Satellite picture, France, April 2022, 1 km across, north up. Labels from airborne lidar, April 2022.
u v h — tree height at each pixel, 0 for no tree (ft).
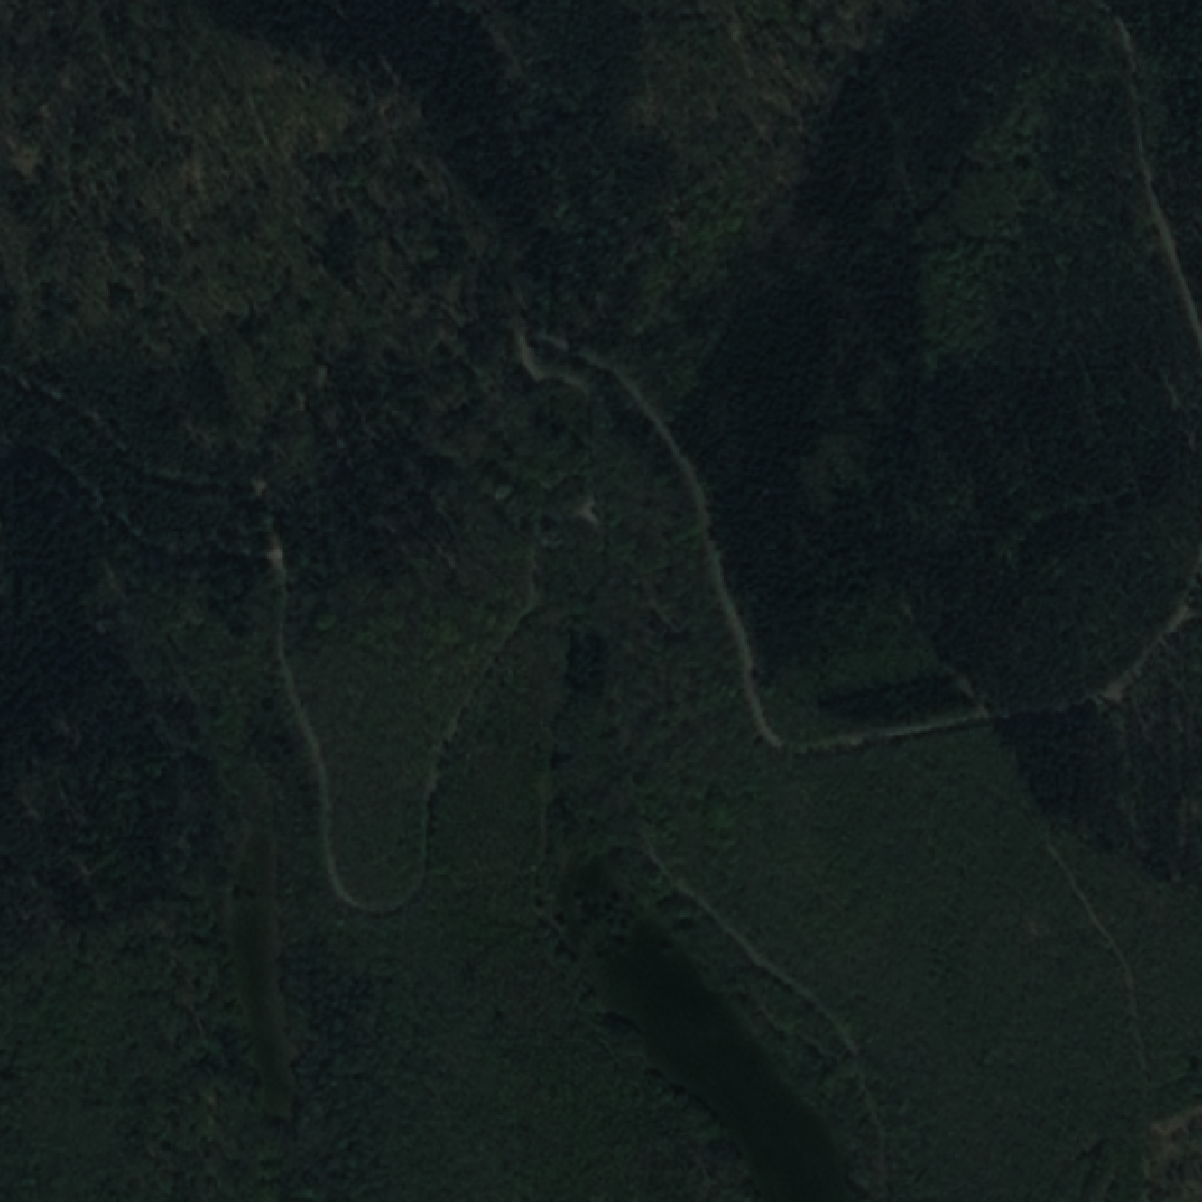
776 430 62
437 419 98
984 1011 40
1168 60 80
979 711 28
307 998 59
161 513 72
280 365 74
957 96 58
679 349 80
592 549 66
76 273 47
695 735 61
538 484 67
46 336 63
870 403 46
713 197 73
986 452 91
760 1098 0
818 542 51
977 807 40
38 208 65
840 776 44
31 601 105
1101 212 49
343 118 72
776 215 84
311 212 79
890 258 54
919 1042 38
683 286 53
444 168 66
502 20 79
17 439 51
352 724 49
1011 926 38
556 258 65
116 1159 62
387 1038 49
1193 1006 39
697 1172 50
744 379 67
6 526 64
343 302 58
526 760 37
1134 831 49
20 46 75
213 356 58
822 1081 65
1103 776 55
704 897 52
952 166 57
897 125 54
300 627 60
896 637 24
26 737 87
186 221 74
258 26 95
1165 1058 25
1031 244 49
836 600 20
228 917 66
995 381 86
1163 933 37
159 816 80
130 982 65
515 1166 50
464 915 39
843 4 72
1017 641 57
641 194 68
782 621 37
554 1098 53
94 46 80
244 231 77
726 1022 0
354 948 50
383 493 96
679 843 52
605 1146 55
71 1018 51
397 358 76
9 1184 58
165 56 68
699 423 71
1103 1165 45
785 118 79
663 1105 51
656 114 80
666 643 80
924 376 50
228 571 97
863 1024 51
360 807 46
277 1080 0
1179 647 49
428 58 97
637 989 0
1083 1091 44
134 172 68
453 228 100
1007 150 25
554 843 20
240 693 46
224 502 73
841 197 71
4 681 112
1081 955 43
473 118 88
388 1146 39
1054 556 72
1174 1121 31
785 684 40
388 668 54
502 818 52
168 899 90
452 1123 42
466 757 54
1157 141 77
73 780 71
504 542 100
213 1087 100
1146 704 52
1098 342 56
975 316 54
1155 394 61
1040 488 92
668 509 77
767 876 35
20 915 65
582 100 54
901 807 50
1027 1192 40
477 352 89
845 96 46
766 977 64
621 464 63
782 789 42
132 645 96
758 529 52
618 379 45
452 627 89
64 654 119
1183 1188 32
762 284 51
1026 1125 46
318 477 72
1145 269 42
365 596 84
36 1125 48
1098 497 47
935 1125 44
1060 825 37
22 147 87
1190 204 70
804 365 64
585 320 56
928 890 43
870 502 43
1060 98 62
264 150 77
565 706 19
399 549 100
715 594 45
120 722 94
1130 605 42
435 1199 43
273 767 53
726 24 77
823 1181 0
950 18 73
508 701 44
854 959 47
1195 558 45
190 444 52
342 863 30
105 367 71
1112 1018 41
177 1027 82
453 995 54
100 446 66
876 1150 76
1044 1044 50
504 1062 44
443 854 54
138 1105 70
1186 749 53
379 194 91
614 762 67
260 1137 85
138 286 57
